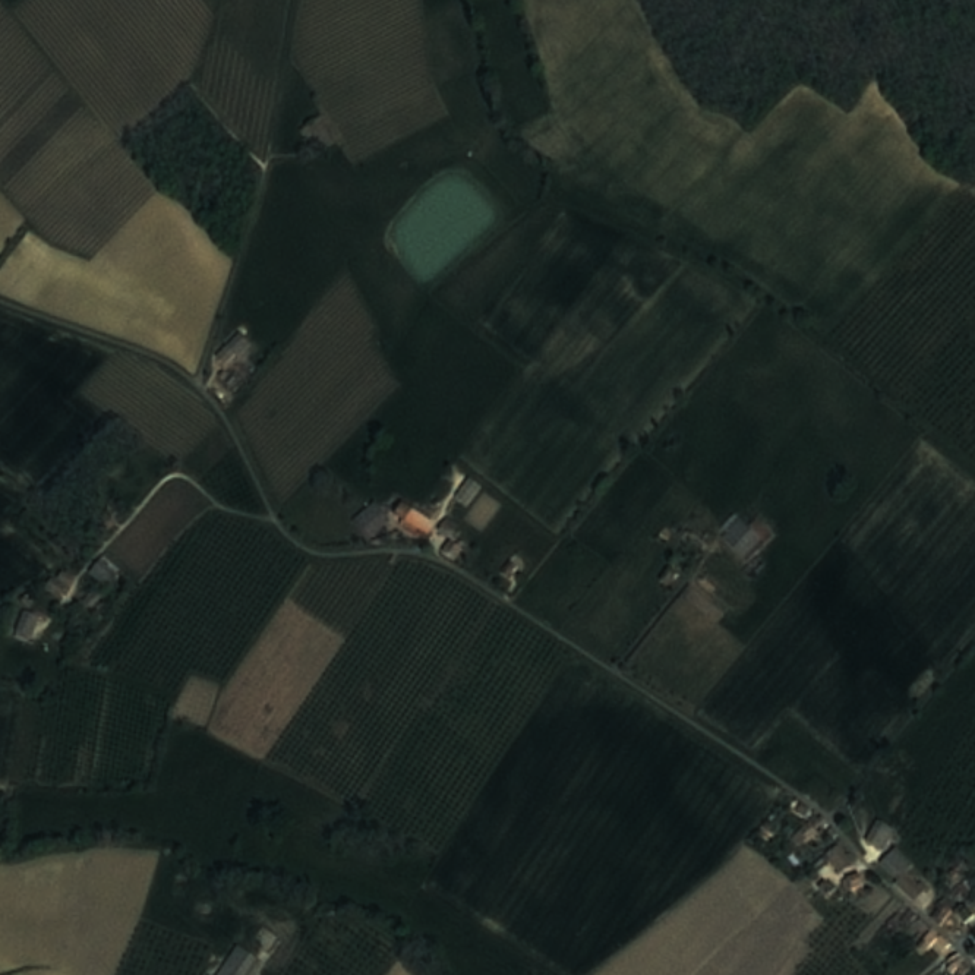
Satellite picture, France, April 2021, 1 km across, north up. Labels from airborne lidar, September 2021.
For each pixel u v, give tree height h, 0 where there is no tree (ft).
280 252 0
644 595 0
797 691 0
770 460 0
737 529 0
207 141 67
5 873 0
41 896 0
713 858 0
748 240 0
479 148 0
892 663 0
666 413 30
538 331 0
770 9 54
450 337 0
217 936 0
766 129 0
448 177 0
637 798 0
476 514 0
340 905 25
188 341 0
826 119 0
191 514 0
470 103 0
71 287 0
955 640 0
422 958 76
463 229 0
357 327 0
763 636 0
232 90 0
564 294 0
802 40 55
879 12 60
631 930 0
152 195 0
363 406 0
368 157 0
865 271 0
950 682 0
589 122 0
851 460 0
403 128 0
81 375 0
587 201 0
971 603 0
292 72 0
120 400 0
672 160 0
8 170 0
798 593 0
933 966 0
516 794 0
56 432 0
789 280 0
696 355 0
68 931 0
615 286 0
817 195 0
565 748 0
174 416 0
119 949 0
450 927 0
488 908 0
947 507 0
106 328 0
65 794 22
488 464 0
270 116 0
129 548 0
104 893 0
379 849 79
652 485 0
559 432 0
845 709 0
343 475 0
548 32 0
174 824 0
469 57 0
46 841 50
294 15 0
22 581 0
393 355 0
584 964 0
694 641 0
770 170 0
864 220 0
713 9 56
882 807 0
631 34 0
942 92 60
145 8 0
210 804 0
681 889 0
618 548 0
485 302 0
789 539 0
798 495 0
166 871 0
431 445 0
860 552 0
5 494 0
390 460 0
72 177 0
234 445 0
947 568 0
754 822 0
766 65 52
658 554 0
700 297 0
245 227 40
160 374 0
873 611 0
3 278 0
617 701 0
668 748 0
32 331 0
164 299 0
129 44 0
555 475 0
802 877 51
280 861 0
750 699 0
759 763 0
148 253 0
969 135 74
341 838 73
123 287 0
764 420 0
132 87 0
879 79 30
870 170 0
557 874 0
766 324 0
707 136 0
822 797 0
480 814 0
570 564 0
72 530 38
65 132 0
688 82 55
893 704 0
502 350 0
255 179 78
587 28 0
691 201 0
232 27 0
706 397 0
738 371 0
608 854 0
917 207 0
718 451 0
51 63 0
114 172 0
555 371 0
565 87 0
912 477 0
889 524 0
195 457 0
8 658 0
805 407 0
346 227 0
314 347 0
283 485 0
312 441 0
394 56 0
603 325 0
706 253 0
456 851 0
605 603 0
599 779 0
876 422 0
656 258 0
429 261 0
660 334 0
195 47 0
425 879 0
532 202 0
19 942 0
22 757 0
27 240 0
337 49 0
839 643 0
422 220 0
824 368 0
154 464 0
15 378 0
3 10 0
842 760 0
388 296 0
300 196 0
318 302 0
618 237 0
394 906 0
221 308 0
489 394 0
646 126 0
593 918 0
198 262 0
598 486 32
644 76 0
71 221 0
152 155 59
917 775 0
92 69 0
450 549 0
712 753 0
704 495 0
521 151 63
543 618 0
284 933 0
